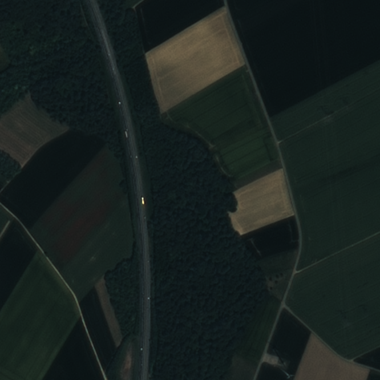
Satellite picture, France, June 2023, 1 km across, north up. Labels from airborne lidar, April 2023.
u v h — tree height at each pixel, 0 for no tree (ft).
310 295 0
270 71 0
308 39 0
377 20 0
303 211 0
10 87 57
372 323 0
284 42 0
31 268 0
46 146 0
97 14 0
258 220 0
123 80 0
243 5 0
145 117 67
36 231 0
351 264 0
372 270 0
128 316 29
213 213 69
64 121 63
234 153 0
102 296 0
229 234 60
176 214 65
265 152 0
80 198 0
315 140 0
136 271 48
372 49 0
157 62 0
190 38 0
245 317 60
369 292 0
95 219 0
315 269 0
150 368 27
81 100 54
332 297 0
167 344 77
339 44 0
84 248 0
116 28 52
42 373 0
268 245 0
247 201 0
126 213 0
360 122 0
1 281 0
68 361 0
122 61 42
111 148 59
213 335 77
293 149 0
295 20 0
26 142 0
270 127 0
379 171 0
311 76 0
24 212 0
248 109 0
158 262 52
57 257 0
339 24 0
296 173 0
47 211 0
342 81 0
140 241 0
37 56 48
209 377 69
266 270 0
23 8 89
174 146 60
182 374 28
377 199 0
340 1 0
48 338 0
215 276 86
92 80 57
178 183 62
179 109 0
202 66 0
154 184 42
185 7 0
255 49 0
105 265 0
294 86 0
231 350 63
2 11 92
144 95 55
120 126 0
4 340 0
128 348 0
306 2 0
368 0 0
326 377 0
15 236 0
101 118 62
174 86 0
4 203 0
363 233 0
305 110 0
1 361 0
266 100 0
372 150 0
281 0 0
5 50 27
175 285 76
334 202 0
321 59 0
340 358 0
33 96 41
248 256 77
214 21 0
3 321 0
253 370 0
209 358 68
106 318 0
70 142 0
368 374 0
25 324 0
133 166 0
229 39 0
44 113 0
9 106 40
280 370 0
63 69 56
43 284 0
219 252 83
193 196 74
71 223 0
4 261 0
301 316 0
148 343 0
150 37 0
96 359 0
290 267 0
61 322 0
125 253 0
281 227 0
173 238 63
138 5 0
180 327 75
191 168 65
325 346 0
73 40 91
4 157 57
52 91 73
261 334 0
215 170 70
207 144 0
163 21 0
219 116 0
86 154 0
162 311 80
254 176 0
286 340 0
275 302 0
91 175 0
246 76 0
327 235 0
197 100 0
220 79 0
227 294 87
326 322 0
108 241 0
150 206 0
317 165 0
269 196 0
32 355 0
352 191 0
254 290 86
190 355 83
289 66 0
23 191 0
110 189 0
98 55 26
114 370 29
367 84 0
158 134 55
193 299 85
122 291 50
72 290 0
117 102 0
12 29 35
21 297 0
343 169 0
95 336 0
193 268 82
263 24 0
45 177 0
